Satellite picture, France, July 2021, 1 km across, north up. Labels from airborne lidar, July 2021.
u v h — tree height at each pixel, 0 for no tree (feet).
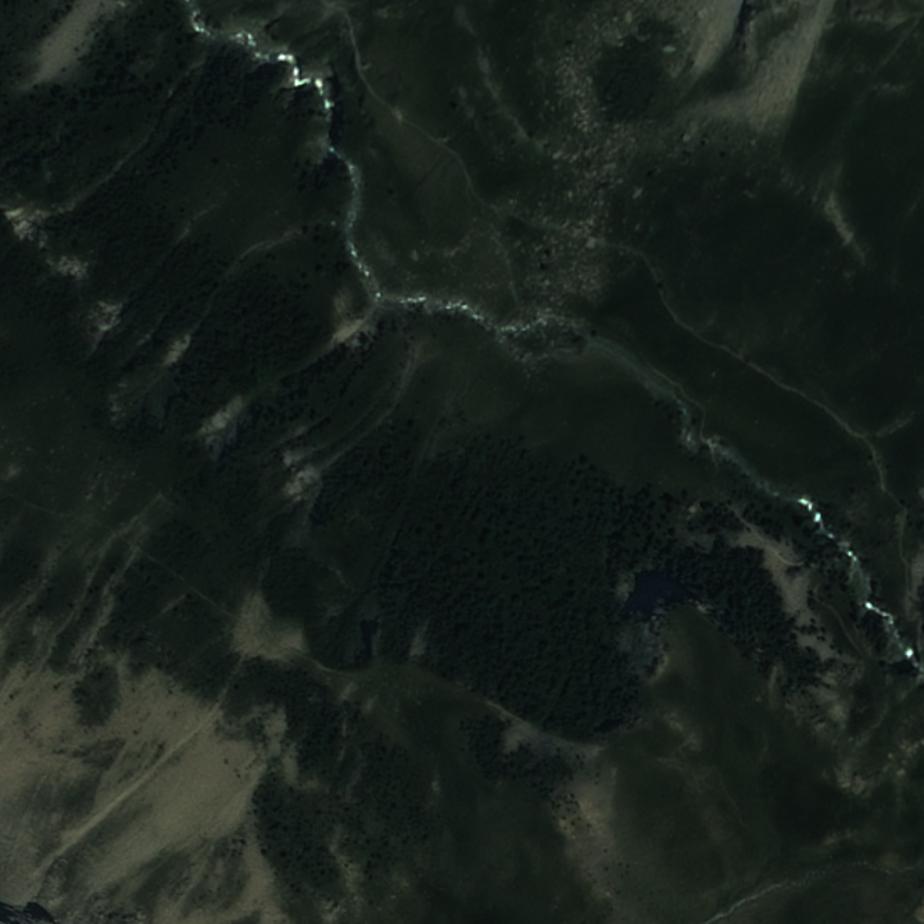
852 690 0
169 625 0
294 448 24
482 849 0
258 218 0
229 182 0
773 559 0
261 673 25
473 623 29
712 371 0
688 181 0
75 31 0
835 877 0
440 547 29
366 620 0
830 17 0
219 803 0
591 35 0
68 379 0
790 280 0
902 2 0
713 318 0
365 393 0
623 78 20
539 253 0
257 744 0
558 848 0
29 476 0
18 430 0
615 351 0
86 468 0
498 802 0
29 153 24
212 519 0
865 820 0
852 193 0
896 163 0
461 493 38
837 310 0
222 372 36
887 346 0
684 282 0
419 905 0
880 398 0
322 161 0
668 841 0
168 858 0
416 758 0
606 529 27
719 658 0
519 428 0
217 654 0
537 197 0
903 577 0
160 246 23
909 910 0
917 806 0
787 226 0
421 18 0
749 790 0
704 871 0
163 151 22
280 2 0
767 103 0
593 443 0
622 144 0
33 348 0
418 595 31
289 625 0
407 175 0
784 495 0
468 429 0
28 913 0
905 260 0
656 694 0
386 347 0
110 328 0
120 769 0
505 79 0
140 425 20
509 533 28
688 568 53
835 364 0
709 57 0
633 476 0
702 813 0
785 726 0
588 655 23
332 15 0
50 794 0
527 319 0
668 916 0
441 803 0
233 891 0
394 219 0
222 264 31
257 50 0
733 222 0
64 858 0
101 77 32
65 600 0
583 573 28
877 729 0
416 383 0
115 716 0
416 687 0
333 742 26
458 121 0
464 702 0
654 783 0
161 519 0
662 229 0
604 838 0
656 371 0
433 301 0
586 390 0
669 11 0
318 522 40
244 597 0
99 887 0
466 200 0
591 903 0
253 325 23
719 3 0
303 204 0
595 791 0
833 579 23
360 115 0
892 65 0
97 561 0
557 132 0
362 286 0
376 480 31
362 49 0
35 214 0
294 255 0
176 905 0
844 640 0
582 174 0
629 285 0
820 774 0
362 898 0
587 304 0
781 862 0
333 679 0
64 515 0
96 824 0
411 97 0
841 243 0
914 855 0
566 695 32
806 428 0
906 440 0
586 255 0
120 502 0
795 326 0
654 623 0
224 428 0
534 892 0
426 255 0
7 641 0
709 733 0
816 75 0
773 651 21
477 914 0
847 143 0
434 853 0
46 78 0
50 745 0
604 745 0
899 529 0
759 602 44
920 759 0
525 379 0
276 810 26
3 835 0
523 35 0
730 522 37
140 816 0
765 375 0
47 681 0
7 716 0
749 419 0
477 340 0
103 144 0
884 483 0
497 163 0
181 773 0
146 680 0
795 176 0
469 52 0
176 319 21
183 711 0
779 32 0
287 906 0
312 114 44
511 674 40
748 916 0
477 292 0
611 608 27
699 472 0
